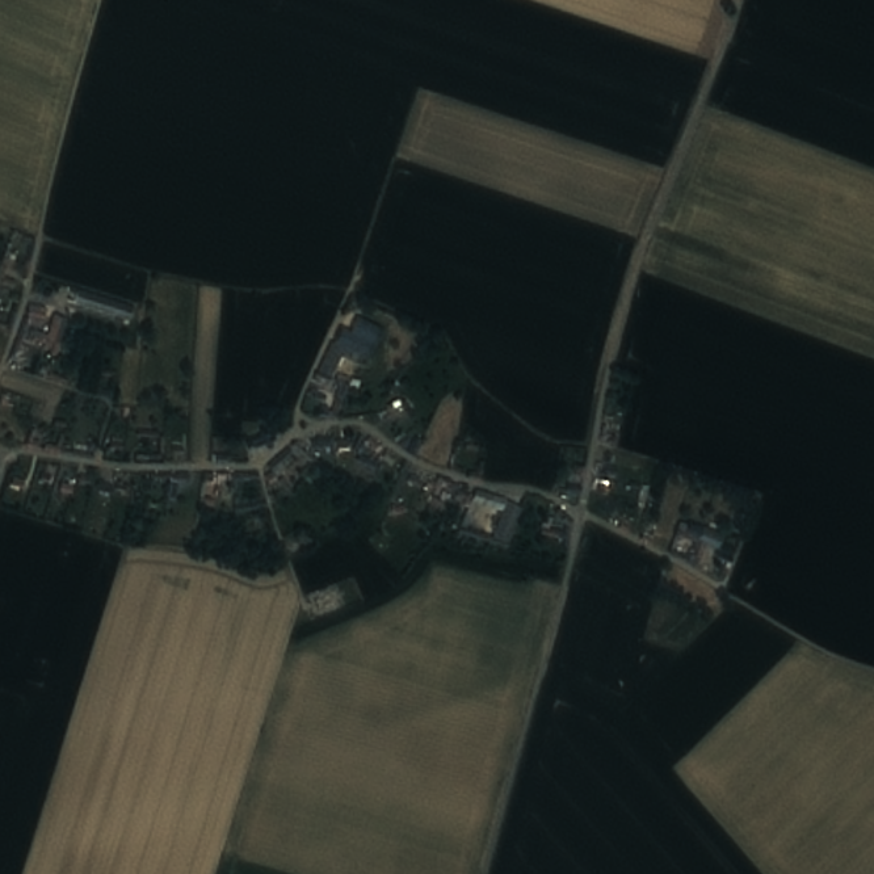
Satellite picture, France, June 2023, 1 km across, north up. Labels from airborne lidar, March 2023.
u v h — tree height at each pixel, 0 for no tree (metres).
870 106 0
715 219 0
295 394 0
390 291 0
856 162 0
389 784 0
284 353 0
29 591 0
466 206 0
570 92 0
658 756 0
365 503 17
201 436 0
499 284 0
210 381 0
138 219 0
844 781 0
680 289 0
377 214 0
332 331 0
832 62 0
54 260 0
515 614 0
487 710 0
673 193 0
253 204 0
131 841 0
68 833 0
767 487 0
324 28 0
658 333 0
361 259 0
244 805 0
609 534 0
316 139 0
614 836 0
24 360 0
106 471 0
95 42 0
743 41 0
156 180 0
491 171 0
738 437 0
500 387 0
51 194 0
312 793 0
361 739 0
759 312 0
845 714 0
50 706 0
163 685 0
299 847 0
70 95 0
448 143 0
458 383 0
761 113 0
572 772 0
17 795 0
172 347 0
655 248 0
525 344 0
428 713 0
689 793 0
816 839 0
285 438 0
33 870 0
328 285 0
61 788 0
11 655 0
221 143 0
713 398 0
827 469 0
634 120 0
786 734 0
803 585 0
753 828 0
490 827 0
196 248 0
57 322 0
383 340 0
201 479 0
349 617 0
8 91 0
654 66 0
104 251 0
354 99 0
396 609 0
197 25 0
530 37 0
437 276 0
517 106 0
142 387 0
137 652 0
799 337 0
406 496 0
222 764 0
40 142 0
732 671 0
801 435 0
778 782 0
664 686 0
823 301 0
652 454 0
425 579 0
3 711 0
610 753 0
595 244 0
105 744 0
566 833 0
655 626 0
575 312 0
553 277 0
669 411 0
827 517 0
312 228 0
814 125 0
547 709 0
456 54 0
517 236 0
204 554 16
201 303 0
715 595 0
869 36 0
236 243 0
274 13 0
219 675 0
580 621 0
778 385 0
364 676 0
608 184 0
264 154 0
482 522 0
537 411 0
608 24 0
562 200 0
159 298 0
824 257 0
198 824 0
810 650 0
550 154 0
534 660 0
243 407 0
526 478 0
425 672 0
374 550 0
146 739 0
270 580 0
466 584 0
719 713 0
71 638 0
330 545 0
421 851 0
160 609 0
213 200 0
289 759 0
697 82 0
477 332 0
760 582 0
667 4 0
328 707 0
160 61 0
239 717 0
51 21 0
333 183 0
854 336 0
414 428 0
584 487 0
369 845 0
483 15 0
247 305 0
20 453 0
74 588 0
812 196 0
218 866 0
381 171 0
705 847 0
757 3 0
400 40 0
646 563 0
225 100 0
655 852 0
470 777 0
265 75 0
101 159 0
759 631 0
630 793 0
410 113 0
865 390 0
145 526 11
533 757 0
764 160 0
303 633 0
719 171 0
